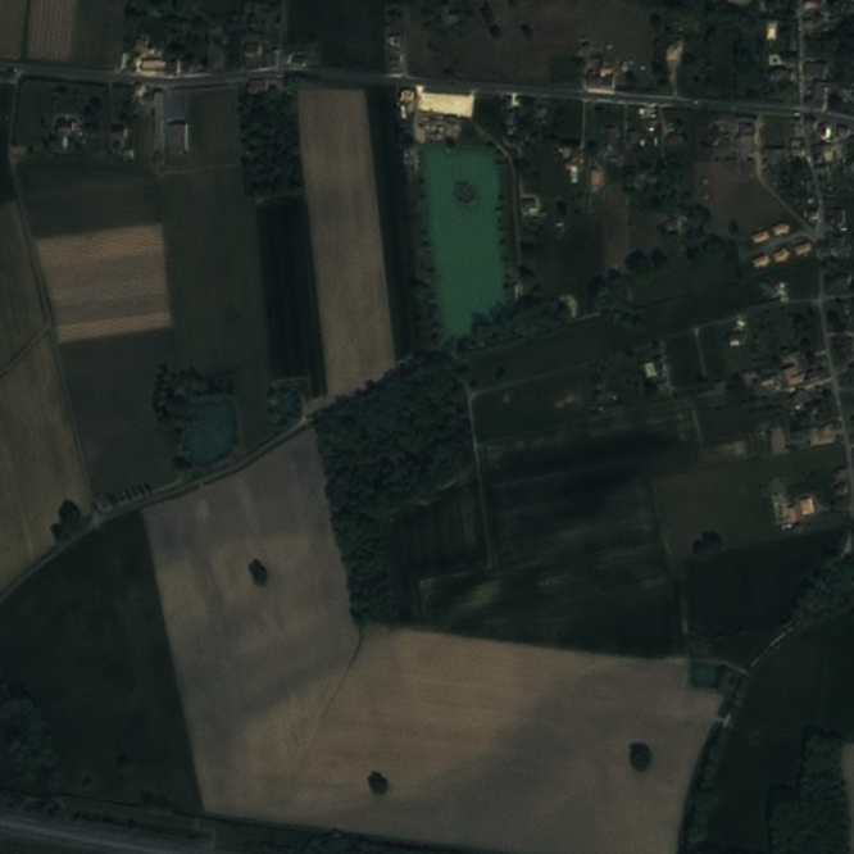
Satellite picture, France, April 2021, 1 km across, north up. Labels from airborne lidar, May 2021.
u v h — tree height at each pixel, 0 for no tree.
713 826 0
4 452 0
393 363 0
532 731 0
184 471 16
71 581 0
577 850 0
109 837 0
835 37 13
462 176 0
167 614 0
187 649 0
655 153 0
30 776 21
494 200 0
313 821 0
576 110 0
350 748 0
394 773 0
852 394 0
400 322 0
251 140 7
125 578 0
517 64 0
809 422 7
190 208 0
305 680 0
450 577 0
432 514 0
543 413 0
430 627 0
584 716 0
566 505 0
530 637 0
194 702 0
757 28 17
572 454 0
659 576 0
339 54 0
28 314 0
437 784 0
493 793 0
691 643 0
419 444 17
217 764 0
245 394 0
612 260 0
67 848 0
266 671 0
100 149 0
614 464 0
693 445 0
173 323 0
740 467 0
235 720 0
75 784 0
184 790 0
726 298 0
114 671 0
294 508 0
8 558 0
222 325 0
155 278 0
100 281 0
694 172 0
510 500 0
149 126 0
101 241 0
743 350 0
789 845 26
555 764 0
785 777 0
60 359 0
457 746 0
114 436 0
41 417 0
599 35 0
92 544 0
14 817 0
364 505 17
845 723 0
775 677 0
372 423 22
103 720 0
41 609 0
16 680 0
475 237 0
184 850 0
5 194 0
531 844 0
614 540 0
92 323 0
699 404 0
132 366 0
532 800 0
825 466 0
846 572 17
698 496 0
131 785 0
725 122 0
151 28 0
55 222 0
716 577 0
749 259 0
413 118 0
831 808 27
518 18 0
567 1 0
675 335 0
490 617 0
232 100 0
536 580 0
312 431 0
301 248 0
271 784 0
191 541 0
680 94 0
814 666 0
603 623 0
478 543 0
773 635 0
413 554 0
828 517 0
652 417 0
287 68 0
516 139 8
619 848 0
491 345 18
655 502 0
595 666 0
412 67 0
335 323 0
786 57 7
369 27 0
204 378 18
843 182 0
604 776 0
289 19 0
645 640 0
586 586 0
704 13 6
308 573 0
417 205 0
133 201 0
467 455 16
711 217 15
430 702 0
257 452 0
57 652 0
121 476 0
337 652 0
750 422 0
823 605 17
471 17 12
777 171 0
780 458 0
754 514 0
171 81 0
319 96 0
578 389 0
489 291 0
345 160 0
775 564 0
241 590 0
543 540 0
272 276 0
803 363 10
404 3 11
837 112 6
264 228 0
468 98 0
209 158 0
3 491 0
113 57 0
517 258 0
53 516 0
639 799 0
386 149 0
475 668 0
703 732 0
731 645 0
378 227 0
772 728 0
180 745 0
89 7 0
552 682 0
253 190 6
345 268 0
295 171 12
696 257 16
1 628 0
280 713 0
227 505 0
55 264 0
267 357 0
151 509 0
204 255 0
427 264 0
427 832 0
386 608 19
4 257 0
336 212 0
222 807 0
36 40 0
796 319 6
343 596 0
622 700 0
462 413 10
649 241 0
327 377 0
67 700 0
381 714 0
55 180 0
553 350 0
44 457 0
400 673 0
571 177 0
